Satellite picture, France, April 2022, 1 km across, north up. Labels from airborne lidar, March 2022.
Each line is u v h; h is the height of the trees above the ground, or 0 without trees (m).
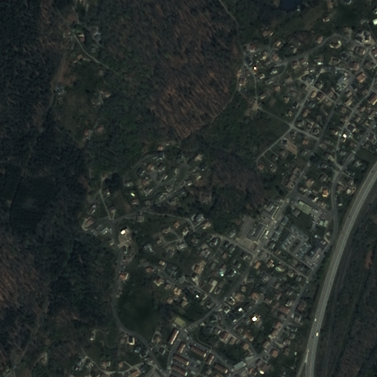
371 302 23
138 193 6
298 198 0
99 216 0
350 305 11
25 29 24
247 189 17
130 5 24
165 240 0
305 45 18
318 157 15
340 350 0
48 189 14
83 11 0
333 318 0
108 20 22
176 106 33
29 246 32
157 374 0
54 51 19
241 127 8
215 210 16
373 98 0
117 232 0
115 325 17
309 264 0
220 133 15
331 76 0
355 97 0
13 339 32
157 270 0
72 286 29
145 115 31
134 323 0
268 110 0
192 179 9
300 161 0
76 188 27
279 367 0
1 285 36
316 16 0
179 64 12
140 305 0
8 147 27
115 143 22
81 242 22
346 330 0
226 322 0
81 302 25
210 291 0
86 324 13
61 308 23
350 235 0
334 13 0
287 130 0
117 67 22
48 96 29
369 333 21
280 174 0
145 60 23
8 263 37
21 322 14
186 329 0
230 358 8
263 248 0
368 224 12
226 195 18
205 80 34
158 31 20
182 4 32
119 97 25
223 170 16
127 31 24
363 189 0
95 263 20
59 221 22
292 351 0
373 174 0
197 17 32
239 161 34
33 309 37
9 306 31
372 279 13
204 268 0
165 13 18
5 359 14
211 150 22
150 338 0
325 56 0
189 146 25
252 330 6
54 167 26
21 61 28
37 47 22
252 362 0
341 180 0
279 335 0
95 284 20
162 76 28
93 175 11
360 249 9
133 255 7
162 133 27
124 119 27
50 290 28
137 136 26
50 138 23
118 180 32
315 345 0
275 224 0
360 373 9
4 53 24
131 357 9
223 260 0
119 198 0
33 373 11
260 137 9
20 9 21
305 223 0
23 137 23
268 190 19
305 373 0
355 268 11
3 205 27
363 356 20
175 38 29
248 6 29
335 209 0
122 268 9
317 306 0
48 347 6
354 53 7
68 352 23
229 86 31
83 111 0
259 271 0
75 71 6
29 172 24
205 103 30
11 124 26
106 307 17
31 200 20
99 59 13
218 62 35
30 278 16
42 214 20
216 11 28
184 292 7
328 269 0
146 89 14
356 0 0
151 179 7
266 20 26
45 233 23
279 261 0
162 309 20
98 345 0
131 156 20
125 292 10
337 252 0
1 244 32
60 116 20
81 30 13
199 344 0
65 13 24
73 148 28
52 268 28
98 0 0
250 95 8
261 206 10
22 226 21
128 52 23
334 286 0
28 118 30
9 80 28
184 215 20
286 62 0
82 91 23
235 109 13
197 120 37
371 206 11
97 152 24
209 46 32
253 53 0
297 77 0
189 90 35
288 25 14
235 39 6
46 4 17
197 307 0
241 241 0
